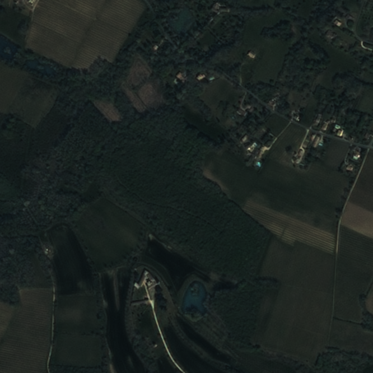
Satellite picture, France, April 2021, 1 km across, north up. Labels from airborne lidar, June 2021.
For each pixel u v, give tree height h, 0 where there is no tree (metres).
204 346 0
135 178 9
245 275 14
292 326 0
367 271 0
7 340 0
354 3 0
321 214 0
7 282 15
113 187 18
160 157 7
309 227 0
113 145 10
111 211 0
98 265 0
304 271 0
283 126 0
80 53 0
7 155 9
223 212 10
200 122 0
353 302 0
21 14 0
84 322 0
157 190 6
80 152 30
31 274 21
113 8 0
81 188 15
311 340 0
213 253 17
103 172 15
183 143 14
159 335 10
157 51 21
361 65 8
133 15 0
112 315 0
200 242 9
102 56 0
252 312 12
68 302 0
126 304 11
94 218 0
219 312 8
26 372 0
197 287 9
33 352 0
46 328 0
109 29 0
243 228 14
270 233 11
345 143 0
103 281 0
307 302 0
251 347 16
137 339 15
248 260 12
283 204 0
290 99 0
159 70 16
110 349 0
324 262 0
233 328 6
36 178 24
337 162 0
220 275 19
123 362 0
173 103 10
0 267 9
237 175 0
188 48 12
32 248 13
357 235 0
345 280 0
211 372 0
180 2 20
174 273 0
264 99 10
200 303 0
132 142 8
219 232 11
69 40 0
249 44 0
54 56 0
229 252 14
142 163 5
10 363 0
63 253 0
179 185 7
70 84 18
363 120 12
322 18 23
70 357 0
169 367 0
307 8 0
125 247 0
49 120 7
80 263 0
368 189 0
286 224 0
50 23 0
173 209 8
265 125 11
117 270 0
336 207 0
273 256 0
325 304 0
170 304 0
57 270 0
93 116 29
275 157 0
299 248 0
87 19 0
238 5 18
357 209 0
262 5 0
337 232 0
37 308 0
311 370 11
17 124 6
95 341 0
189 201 6
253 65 0
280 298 0
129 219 0
